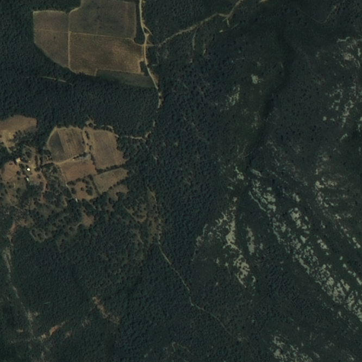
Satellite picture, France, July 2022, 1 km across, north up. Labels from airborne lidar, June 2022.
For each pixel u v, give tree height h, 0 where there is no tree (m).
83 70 0
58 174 0
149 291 6
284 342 6
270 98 5
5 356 7
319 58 0
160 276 9
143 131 11
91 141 0
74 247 8
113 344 8
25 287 7
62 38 0
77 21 0
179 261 9
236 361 11
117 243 13
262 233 0
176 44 9
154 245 9
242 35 12
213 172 10
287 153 6
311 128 6
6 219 8
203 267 0
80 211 16
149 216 8
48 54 0
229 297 10
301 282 0
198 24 0
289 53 6
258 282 14
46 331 7
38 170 9
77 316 7
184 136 11
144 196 6
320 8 0
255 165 8
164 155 12
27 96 15
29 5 7
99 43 0
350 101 0
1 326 11
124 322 9
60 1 6
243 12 11
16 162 12
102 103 12
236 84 9
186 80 7
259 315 7
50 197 9
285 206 0
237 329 12
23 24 12
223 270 8
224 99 0
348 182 0
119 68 0
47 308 13
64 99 14
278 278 7
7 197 0
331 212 0
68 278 11
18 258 6
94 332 10
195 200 10
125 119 12
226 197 5
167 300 7
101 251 14
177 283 8
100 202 15
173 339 9
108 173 0
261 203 8
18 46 14
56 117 16
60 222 9
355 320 0
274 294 9
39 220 10
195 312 9
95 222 7
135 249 8
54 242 7
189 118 13
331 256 0
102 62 0
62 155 0
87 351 9
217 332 5
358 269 6
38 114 13
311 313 8
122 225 15
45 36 0
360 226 0
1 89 15
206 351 7
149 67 12
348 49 0
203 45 6
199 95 12
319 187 0
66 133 0
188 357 9
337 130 0
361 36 0
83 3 0
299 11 10
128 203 14
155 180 15
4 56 13
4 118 15
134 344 9
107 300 9
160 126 12
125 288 14
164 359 6
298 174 0
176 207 14
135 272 11
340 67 0
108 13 0
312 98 9
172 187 8
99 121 13
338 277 0
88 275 11
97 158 0
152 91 13
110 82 7
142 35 7
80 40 0
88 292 10
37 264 9
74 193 11
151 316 9
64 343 7
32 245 7
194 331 9
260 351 10
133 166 12
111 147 0
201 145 11
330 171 0
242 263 0
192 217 9
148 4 7
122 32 0
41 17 0
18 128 0
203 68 10
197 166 10
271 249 10
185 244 9
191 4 12
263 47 9
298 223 0
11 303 8
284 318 12
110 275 12
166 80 15
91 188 11
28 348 10
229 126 10
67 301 10
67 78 14
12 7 14
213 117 10
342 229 0
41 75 13
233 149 7
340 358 0
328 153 0
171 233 11
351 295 0
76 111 17
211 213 9
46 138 12
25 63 15
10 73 14
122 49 0
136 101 13
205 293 8
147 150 16
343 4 10
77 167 0
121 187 0
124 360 14
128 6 0
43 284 8
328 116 0
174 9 9
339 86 0
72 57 0
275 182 15
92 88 14
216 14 0
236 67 8
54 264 14
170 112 13
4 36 10
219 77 10
